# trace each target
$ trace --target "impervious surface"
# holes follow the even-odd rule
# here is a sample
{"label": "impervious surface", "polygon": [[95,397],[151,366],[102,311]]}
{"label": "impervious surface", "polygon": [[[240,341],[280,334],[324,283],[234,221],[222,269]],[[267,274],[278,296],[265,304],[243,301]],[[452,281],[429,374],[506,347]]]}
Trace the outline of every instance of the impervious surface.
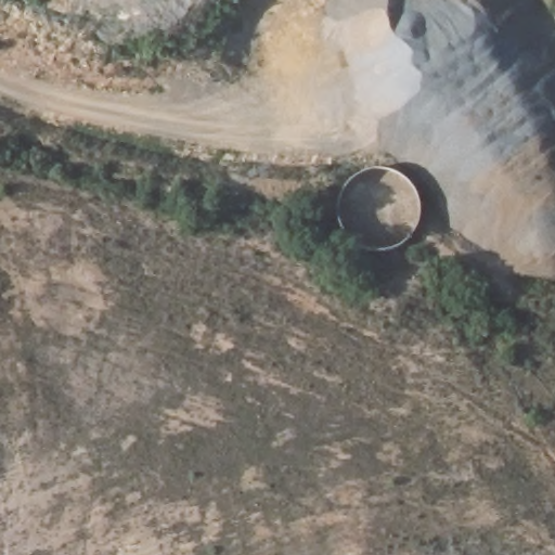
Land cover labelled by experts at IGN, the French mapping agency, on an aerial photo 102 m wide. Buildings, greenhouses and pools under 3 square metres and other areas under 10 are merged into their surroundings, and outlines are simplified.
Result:
{"label": "impervious surface", "polygon": [[390,169],[388,173],[382,173],[377,169],[364,171],[356,176],[345,189],[336,184],[317,189],[317,199],[312,204],[321,206],[321,210],[330,210],[332,215],[336,215],[336,230],[356,236],[356,245],[364,256],[366,251],[399,249],[410,241],[421,219],[421,197],[414,182],[397,169]]}

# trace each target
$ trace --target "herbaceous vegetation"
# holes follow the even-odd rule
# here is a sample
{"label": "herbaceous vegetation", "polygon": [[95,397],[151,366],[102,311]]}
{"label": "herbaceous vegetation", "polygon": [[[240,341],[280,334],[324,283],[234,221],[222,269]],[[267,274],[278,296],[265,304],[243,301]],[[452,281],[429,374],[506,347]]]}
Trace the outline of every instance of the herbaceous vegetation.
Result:
{"label": "herbaceous vegetation", "polygon": [[17,9],[30,9],[35,15],[43,15],[48,22],[59,22],[65,28],[67,37],[74,28],[80,28],[87,41],[93,41],[104,50],[102,63],[98,67],[98,74],[102,78],[158,78],[158,65],[167,65],[171,59],[195,63],[208,61],[210,52],[197,48],[195,41],[210,35],[219,26],[221,15],[228,15],[238,0],[204,0],[204,4],[191,4],[186,15],[180,22],[176,22],[169,30],[152,28],[134,39],[124,39],[124,43],[108,43],[106,39],[98,37],[98,33],[104,28],[102,20],[91,17],[89,13],[61,13],[54,11],[50,4],[39,4],[39,0],[4,0],[13,2]]}
{"label": "herbaceous vegetation", "polygon": [[106,130],[100,134],[102,139],[115,143],[134,143],[137,147],[150,152],[165,152],[169,147],[176,156],[180,156],[184,150],[182,139],[158,139],[152,134],[137,137],[130,132]]}
{"label": "herbaceous vegetation", "polygon": [[2,555],[2,553],[4,553],[4,535],[2,535],[2,533],[7,531],[7,522],[11,520],[11,518],[13,518],[13,516],[17,516],[17,509],[4,509],[2,514],[0,514],[0,555]]}
{"label": "herbaceous vegetation", "polygon": [[[87,475],[91,483],[56,494],[52,499],[52,505],[39,512],[39,518],[50,514],[50,520],[41,522],[41,527],[54,529],[61,522],[61,516],[67,505],[80,507],[80,518],[69,522],[76,529],[74,538],[80,542],[89,540],[87,522],[91,518],[91,507],[95,503],[111,505],[106,518],[117,520],[126,516],[130,509],[141,507],[145,501],[152,499],[163,503],[186,501],[189,505],[199,507],[199,520],[173,522],[167,529],[156,529],[152,535],[171,535],[173,542],[193,542],[193,555],[525,555],[538,553],[544,546],[540,542],[527,544],[525,538],[516,538],[516,544],[507,544],[505,535],[509,535],[509,525],[516,527],[522,520],[533,520],[535,525],[544,525],[548,535],[555,540],[555,358],[544,358],[538,371],[522,366],[516,366],[512,360],[507,366],[501,366],[492,358],[490,362],[486,362],[486,366],[477,369],[466,358],[466,349],[457,340],[455,327],[451,323],[440,323],[436,319],[436,312],[427,308],[427,291],[423,286],[423,278],[416,273],[418,269],[412,267],[405,258],[412,245],[410,241],[399,249],[366,251],[364,256],[371,264],[371,271],[362,271],[362,288],[371,291],[375,299],[371,301],[371,306],[362,304],[360,308],[351,308],[345,306],[338,297],[321,295],[319,286],[314,286],[308,280],[301,260],[286,258],[273,247],[273,234],[241,238],[236,234],[206,232],[202,236],[178,238],[173,236],[173,228],[165,217],[163,206],[150,212],[132,199],[102,204],[100,197],[91,197],[89,191],[82,191],[80,186],[72,186],[69,182],[65,182],[59,165],[50,167],[48,180],[0,167],[0,202],[9,197],[15,202],[17,208],[24,210],[33,210],[37,202],[65,206],[61,215],[61,228],[48,236],[46,247],[39,247],[39,238],[35,238],[33,232],[7,230],[0,223],[0,269],[9,275],[13,284],[20,278],[41,273],[46,286],[37,295],[37,304],[46,306],[52,304],[59,295],[59,282],[52,280],[52,267],[56,262],[93,262],[102,271],[108,286],[119,295],[119,301],[113,308],[100,312],[98,325],[106,327],[106,336],[93,334],[91,330],[82,330],[87,334],[89,349],[95,353],[111,353],[117,345],[117,334],[126,334],[137,340],[147,336],[152,345],[141,347],[137,356],[154,353],[154,369],[150,379],[163,379],[165,388],[158,388],[147,403],[132,401],[124,408],[113,410],[108,418],[82,423],[80,412],[74,408],[74,399],[63,395],[72,388],[65,366],[59,362],[48,362],[48,347],[65,349],[67,334],[61,334],[54,327],[39,327],[35,325],[33,317],[15,319],[11,312],[0,312],[0,479],[4,479],[7,464],[15,455],[22,455],[22,460],[30,462],[46,460],[59,466],[65,466],[67,462],[76,464],[76,468],[69,475],[41,481],[41,490],[54,488],[56,483],[67,483],[82,475]],[[325,306],[327,312],[306,312],[297,304],[288,301],[286,297],[297,291],[317,297],[317,304]],[[468,453],[473,470],[462,470],[464,481],[434,486],[429,479],[431,470],[449,473],[451,468],[447,455],[442,453],[436,440],[436,434],[425,429],[427,416],[423,412],[423,405],[418,403],[412,410],[401,405],[405,390],[425,390],[425,386],[408,384],[405,369],[390,369],[390,362],[399,358],[397,345],[412,345],[412,351],[416,356],[423,356],[431,362],[429,369],[457,375],[457,382],[434,379],[431,392],[438,392],[440,397],[457,395],[468,401],[470,410],[479,408],[503,423],[503,427],[492,436],[494,440],[481,440],[473,449],[473,453]],[[291,395],[280,386],[258,384],[256,373],[247,371],[243,362],[254,362],[260,369],[273,371],[284,382],[299,386],[299,395]],[[169,414],[165,410],[178,410],[182,401],[193,395],[215,397],[221,421],[217,421],[215,427],[197,425],[195,429],[182,434],[160,434],[160,427],[169,423]],[[386,442],[399,447],[399,457],[392,464],[377,460],[377,453]],[[499,512],[499,520],[488,527],[468,527],[468,496],[490,501],[492,507]]]}
{"label": "herbaceous vegetation", "polygon": [[28,134],[33,139],[39,139],[43,145],[50,145],[52,137],[41,134],[48,121],[39,115],[15,113],[13,108],[0,104],[0,137]]}
{"label": "herbaceous vegetation", "polygon": [[299,189],[317,189],[336,184],[345,189],[356,176],[364,171],[362,165],[349,163],[317,163],[308,167],[271,165],[269,178],[295,180]]}

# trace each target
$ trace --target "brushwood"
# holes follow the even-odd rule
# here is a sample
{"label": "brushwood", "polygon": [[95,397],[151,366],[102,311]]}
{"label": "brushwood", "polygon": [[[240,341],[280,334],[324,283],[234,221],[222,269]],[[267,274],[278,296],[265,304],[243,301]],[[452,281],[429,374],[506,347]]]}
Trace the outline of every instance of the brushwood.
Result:
{"label": "brushwood", "polygon": [[527,291],[522,291],[518,301],[488,286],[486,304],[505,310],[514,319],[514,343],[535,343],[540,349],[540,356],[531,356],[529,360],[525,360],[522,366],[538,371],[544,358],[555,358],[555,278],[535,278],[527,286]]}
{"label": "brushwood", "polygon": [[189,171],[189,180],[202,180],[204,184],[208,180],[219,180],[221,186],[225,186],[232,180],[225,169],[225,163],[234,160],[234,156],[225,154],[223,147],[217,150],[208,160],[199,160],[195,156],[180,156],[176,156],[169,147],[165,152],[150,152],[137,147],[134,143],[115,143],[102,139],[100,134],[106,130],[91,124],[67,126],[48,121],[41,134],[52,137],[50,145],[63,150],[72,163],[91,167],[91,171],[106,167],[106,163],[121,165],[126,158],[147,160],[154,165],[154,191],[165,191],[171,184],[173,176],[180,171]]}
{"label": "brushwood", "polygon": [[4,299],[2,295],[13,284],[9,275],[0,269],[0,312],[11,312],[13,297]]}

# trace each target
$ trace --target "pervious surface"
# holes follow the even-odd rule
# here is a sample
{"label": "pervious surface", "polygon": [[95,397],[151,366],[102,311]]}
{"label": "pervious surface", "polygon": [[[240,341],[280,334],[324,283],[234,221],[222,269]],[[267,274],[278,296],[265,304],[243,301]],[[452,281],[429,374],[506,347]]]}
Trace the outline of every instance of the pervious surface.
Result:
{"label": "pervious surface", "polygon": [[297,304],[306,312],[327,312],[325,306],[317,304],[317,297],[297,291],[286,297],[288,301]]}
{"label": "pervious surface", "polygon": [[412,410],[418,403],[423,405],[423,412],[427,416],[425,429],[436,434],[436,440],[442,453],[447,455],[451,468],[449,473],[431,470],[429,479],[434,486],[464,481],[462,470],[473,470],[468,453],[473,453],[473,449],[481,440],[494,440],[492,436],[503,427],[503,423],[479,408],[470,410],[468,401],[457,395],[440,397],[438,392],[431,392],[434,379],[457,382],[457,375],[429,369],[431,362],[423,356],[416,356],[412,351],[412,345],[397,345],[399,358],[390,362],[390,369],[405,369],[408,384],[425,386],[425,390],[405,390],[401,405]]}
{"label": "pervious surface", "polygon": [[33,232],[35,238],[39,238],[39,247],[46,247],[48,236],[61,228],[61,215],[65,206],[37,202],[33,210],[24,210],[17,208],[15,202],[9,197],[0,202],[0,223],[7,230]]}
{"label": "pervious surface", "polygon": [[299,395],[299,386],[284,382],[273,371],[260,369],[254,362],[243,362],[247,371],[256,373],[258,384],[280,386],[291,395]]}
{"label": "pervious surface", "polygon": [[65,466],[59,466],[46,460],[30,462],[22,460],[22,455],[15,455],[7,464],[4,479],[0,479],[0,514],[2,514],[4,509],[17,509],[17,516],[13,516],[13,518],[11,518],[11,520],[7,522],[7,531],[2,533],[2,535],[4,535],[4,553],[2,553],[2,555],[193,555],[193,542],[173,542],[171,535],[152,535],[156,529],[167,529],[173,522],[199,520],[199,507],[189,505],[186,501],[163,503],[152,499],[145,501],[141,507],[130,509],[126,516],[117,520],[106,518],[111,505],[95,503],[91,507],[91,518],[87,522],[89,540],[80,542],[74,538],[76,529],[69,522],[80,518],[80,507],[67,505],[61,516],[61,522],[54,529],[41,527],[41,522],[50,520],[50,514],[39,518],[39,512],[52,505],[52,499],[56,494],[91,483],[87,475],[82,475],[67,483],[56,483],[54,488],[41,490],[41,481],[69,475],[76,468],[76,464],[67,462]]}
{"label": "pervious surface", "polygon": [[488,527],[499,520],[499,512],[492,507],[490,501],[468,496],[468,527]]}
{"label": "pervious surface", "polygon": [[108,286],[102,271],[93,262],[56,262],[52,267],[52,280],[59,282],[59,295],[52,304],[46,306],[37,304],[37,295],[46,286],[41,273],[20,278],[13,284],[2,295],[4,299],[13,297],[11,312],[15,319],[33,317],[35,325],[39,327],[54,327],[61,334],[67,334],[65,349],[48,347],[48,362],[59,362],[65,366],[72,388],[63,395],[74,399],[74,408],[80,412],[82,423],[108,418],[113,410],[124,408],[132,401],[147,403],[158,388],[165,388],[163,379],[150,379],[154,369],[154,353],[137,356],[141,347],[152,345],[147,336],[137,340],[126,334],[117,334],[117,345],[111,353],[95,353],[89,349],[87,334],[82,330],[91,330],[93,334],[106,336],[106,327],[98,325],[100,312],[113,308],[119,301],[119,295]]}
{"label": "pervious surface", "polygon": [[165,410],[169,414],[169,423],[160,427],[160,434],[182,434],[195,429],[197,425],[215,427],[217,421],[221,421],[215,397],[193,395],[182,401],[178,410]]}
{"label": "pervious surface", "polygon": [[533,520],[522,520],[516,527],[509,525],[509,535],[505,535],[507,544],[516,544],[516,538],[525,538],[527,544],[540,542],[544,546],[538,553],[525,555],[555,555],[555,540],[548,535],[544,525],[535,525]]}
{"label": "pervious surface", "polygon": [[377,453],[377,460],[392,464],[399,457],[399,447],[386,442]]}
{"label": "pervious surface", "polygon": [[555,0],[238,0],[228,15],[221,15],[219,26],[210,35],[195,41],[197,48],[210,52],[208,61],[195,63],[171,59],[167,65],[158,65],[158,78],[102,78],[98,74],[98,67],[102,63],[104,50],[93,41],[87,41],[80,28],[74,28],[67,37],[65,28],[59,22],[48,22],[43,15],[35,15],[30,9],[17,9],[13,2],[4,0],[0,0],[0,104],[13,108],[15,113],[39,115],[48,121],[67,126],[91,124],[106,130],[130,132],[137,137],[152,134],[158,139],[182,139],[184,150],[180,156],[195,156],[199,160],[208,160],[217,150],[223,147],[225,154],[234,156],[234,160],[225,163],[225,169],[232,180],[251,186],[264,197],[275,199],[299,189],[295,180],[269,178],[271,165],[308,167],[317,163],[349,163],[362,165],[364,171],[377,169],[382,173],[388,173],[390,169],[397,169],[414,182],[421,197],[421,219],[410,241],[412,245],[427,238],[427,243],[434,245],[440,256],[455,256],[457,264],[464,271],[477,271],[488,282],[488,286],[518,301],[522,291],[527,291],[527,286],[535,278],[555,278]]}
{"label": "pervious surface", "polygon": [[169,30],[176,22],[180,22],[186,15],[191,4],[204,4],[204,0],[39,0],[39,4],[50,4],[54,11],[61,13],[89,13],[91,17],[102,20],[104,28],[98,33],[98,37],[106,39],[108,43],[124,43],[124,39],[134,39],[152,28]]}

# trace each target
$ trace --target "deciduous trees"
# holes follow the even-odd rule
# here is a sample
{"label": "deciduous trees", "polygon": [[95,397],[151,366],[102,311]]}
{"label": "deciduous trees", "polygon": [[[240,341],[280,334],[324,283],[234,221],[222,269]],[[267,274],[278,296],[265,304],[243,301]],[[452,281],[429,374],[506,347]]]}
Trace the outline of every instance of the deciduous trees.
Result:
{"label": "deciduous trees", "polygon": [[72,163],[63,150],[50,145],[43,145],[39,139],[33,139],[28,134],[0,137],[0,167],[48,180],[50,167],[59,165],[65,182],[69,182],[72,186],[80,186],[82,191],[89,191],[91,197],[100,197],[102,204],[132,199],[150,212],[163,206],[165,217],[173,228],[173,236],[178,238],[202,236],[206,232],[236,234],[241,238],[273,234],[273,247],[286,258],[301,260],[308,280],[314,286],[319,286],[321,295],[338,297],[345,306],[351,308],[360,308],[362,304],[371,306],[371,301],[375,299],[371,291],[362,288],[362,271],[371,271],[371,264],[364,256],[356,245],[356,236],[336,230],[336,215],[332,215],[330,210],[321,210],[321,206],[312,204],[317,199],[317,189],[299,189],[275,199],[264,197],[251,186],[232,180],[225,186],[221,186],[219,180],[208,180],[204,184],[202,180],[189,180],[189,171],[180,171],[173,176],[171,184],[165,191],[154,191],[154,165],[147,160],[126,158],[121,165],[106,163],[106,167],[91,171],[91,167]]}
{"label": "deciduous trees", "polygon": [[486,304],[488,286],[488,282],[477,271],[464,271],[457,264],[455,256],[440,256],[434,245],[427,243],[427,238],[412,245],[405,258],[412,267],[418,269],[416,273],[423,278],[423,286],[427,291],[427,308],[436,312],[436,319],[440,323],[451,323],[455,327],[457,340],[466,349],[466,358],[477,369],[486,366],[486,362],[490,362],[492,358],[501,366],[507,366],[512,360],[516,366],[522,366],[525,360],[529,360],[531,356],[540,356],[540,349],[535,343],[514,343],[514,319],[505,310]]}

